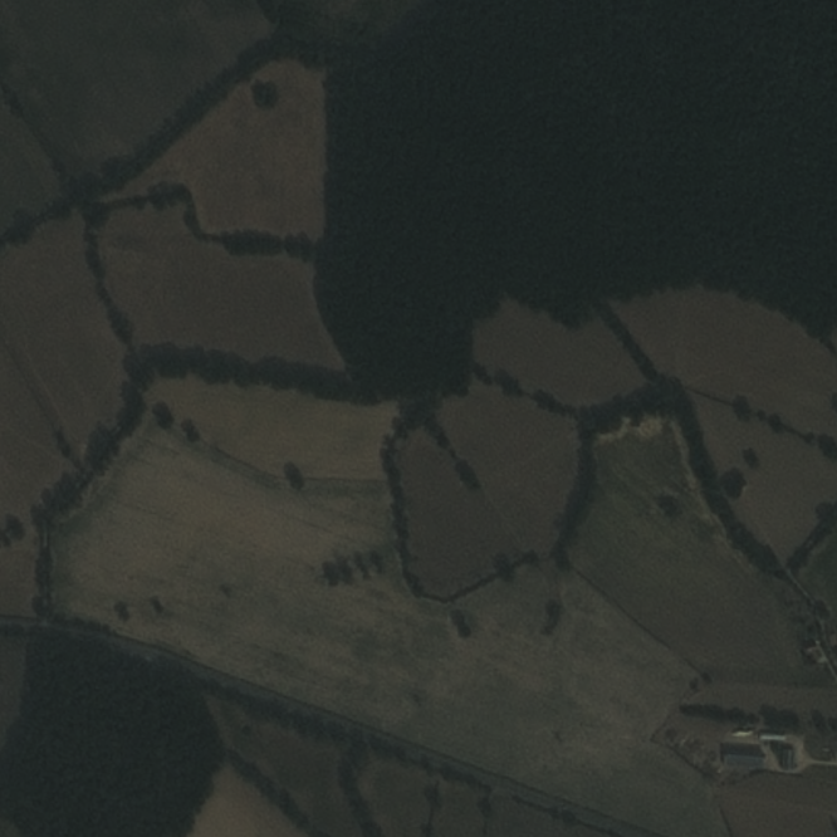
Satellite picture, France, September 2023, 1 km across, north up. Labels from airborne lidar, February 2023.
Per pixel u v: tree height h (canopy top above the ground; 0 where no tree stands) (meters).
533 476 0
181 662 0
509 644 0
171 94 0
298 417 0
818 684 0
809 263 27
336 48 7
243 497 0
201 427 0
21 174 0
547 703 0
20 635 13
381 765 0
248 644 0
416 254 28
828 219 27
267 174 0
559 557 16
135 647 0
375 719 0
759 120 23
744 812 0
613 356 0
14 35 0
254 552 0
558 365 0
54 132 0
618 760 0
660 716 0
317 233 0
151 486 0
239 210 0
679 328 0
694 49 20
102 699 24
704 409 0
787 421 0
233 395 0
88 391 0
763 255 26
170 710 24
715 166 25
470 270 28
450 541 0
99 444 16
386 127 28
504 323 0
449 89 28
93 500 0
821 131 24
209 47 0
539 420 0
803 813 0
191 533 0
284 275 0
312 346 0
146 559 0
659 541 0
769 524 0
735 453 0
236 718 0
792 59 25
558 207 27
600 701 0
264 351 0
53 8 0
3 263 0
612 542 0
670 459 0
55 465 0
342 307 24
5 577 0
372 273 27
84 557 0
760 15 22
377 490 0
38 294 0
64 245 0
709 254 24
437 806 15
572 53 27
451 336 31
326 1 0
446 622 0
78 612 0
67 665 23
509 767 0
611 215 23
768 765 0
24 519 0
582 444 9
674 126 27
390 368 26
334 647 0
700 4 23
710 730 0
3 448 0
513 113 25
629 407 15
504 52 28
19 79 0
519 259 28
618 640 0
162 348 0
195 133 0
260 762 0
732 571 0
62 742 24
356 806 19
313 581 0
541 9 22
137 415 14
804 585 0
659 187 24
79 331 0
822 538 10
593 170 23
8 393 0
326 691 0
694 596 0
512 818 0
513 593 0
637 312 0
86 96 0
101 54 0
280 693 0
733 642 0
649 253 25
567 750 0
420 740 0
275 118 0
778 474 0
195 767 22
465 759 0
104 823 20
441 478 0
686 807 0
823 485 0
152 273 0
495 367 0
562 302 27
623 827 0
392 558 0
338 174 24
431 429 19
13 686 0
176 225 0
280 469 0
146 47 0
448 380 26
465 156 30
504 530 0
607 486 0
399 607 0
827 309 25
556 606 8
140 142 0
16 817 19
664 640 0
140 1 0
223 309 0
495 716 0
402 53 20
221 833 0
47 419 0
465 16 26
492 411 0
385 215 28
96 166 0
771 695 0
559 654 0
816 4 24
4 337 0
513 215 30
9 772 21
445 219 29
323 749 0
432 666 0
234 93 0
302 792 0
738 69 22
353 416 0
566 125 22
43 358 0
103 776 20
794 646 0
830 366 0
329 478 0
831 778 0
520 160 28
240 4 0
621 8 26
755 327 0
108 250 0
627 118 25
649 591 0
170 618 0
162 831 22
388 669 0
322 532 0
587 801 0
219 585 0
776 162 23
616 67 23
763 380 0
